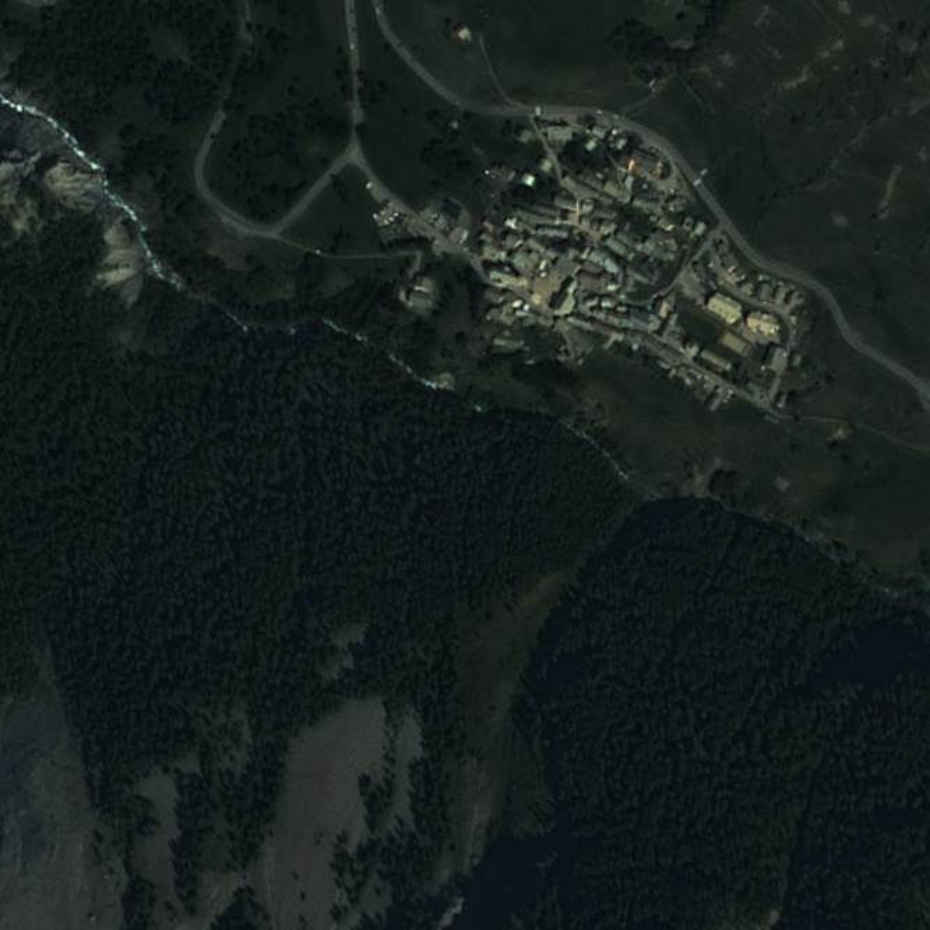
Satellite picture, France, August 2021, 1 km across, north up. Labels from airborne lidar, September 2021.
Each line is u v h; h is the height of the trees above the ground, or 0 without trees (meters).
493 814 0
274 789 20
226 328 22
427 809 15
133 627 27
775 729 20
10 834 0
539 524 17
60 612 16
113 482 26
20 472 21
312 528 21
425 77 0
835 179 0
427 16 0
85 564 25
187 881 12
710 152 0
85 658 11
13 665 9
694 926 6
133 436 17
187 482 25
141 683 22
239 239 0
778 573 27
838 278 0
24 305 14
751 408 0
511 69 0
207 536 23
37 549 23
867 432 0
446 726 12
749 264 0
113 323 9
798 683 25
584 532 19
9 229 9
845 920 11
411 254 14
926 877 8
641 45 11
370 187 0
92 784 7
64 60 12
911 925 10
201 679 18
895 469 0
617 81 0
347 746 0
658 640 15
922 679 13
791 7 0
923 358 0
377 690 15
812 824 10
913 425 0
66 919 0
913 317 0
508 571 18
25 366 17
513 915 7
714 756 21
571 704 22
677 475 0
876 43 0
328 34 0
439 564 25
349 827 0
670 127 0
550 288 0
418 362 15
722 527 28
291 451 23
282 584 23
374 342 10
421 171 0
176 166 10
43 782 0
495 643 0
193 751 13
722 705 22
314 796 0
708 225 9
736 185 0
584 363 0
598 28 0
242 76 12
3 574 17
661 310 0
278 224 0
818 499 0
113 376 12
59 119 7
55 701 0
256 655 14
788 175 0
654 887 17
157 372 17
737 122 0
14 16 0
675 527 22
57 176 0
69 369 16
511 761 0
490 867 0
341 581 27
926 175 0
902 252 0
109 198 0
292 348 23
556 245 10
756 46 0
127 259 0
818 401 0
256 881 0
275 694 17
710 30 14
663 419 0
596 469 16
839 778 10
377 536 28
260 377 17
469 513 21
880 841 17
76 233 11
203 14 8
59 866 0
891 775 17
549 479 17
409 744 0
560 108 0
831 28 0
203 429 8
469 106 0
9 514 20
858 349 0
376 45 0
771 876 10
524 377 14
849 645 10
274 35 10
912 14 0
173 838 0
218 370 11
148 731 16
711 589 26
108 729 14
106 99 9
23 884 0
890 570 0
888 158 0
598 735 23
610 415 0
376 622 23
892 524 0
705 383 0
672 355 0
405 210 0
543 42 0
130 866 6
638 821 17
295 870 0
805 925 9
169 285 8
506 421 18
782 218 0
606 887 15
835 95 0
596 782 22
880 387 0
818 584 26
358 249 0
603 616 30
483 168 0
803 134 0
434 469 22
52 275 9
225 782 9
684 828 20
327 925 0
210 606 24
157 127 0
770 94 0
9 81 9
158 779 0
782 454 0
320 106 8
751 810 8
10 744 0
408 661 21
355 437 24
